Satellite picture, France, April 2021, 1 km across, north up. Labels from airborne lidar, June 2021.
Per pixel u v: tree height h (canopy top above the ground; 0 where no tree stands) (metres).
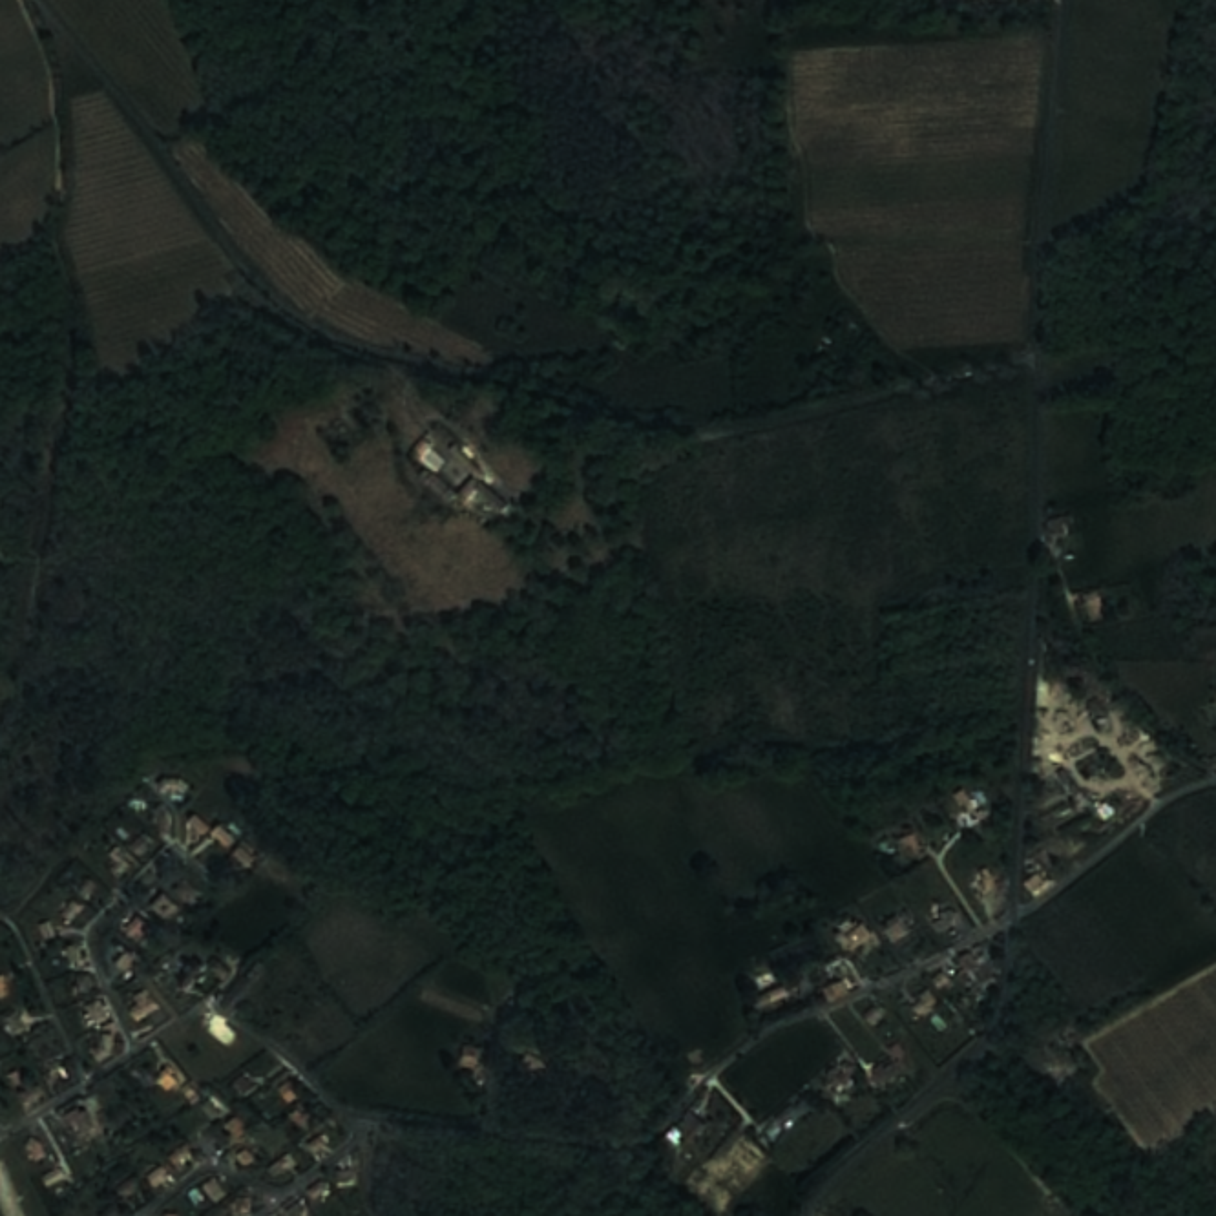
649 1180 12
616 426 23
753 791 0
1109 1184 16
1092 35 0
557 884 15
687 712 7
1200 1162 20
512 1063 22
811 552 0
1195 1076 0
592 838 0
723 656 7
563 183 23
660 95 6
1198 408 23
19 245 0
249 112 21
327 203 23
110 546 10
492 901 18
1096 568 0
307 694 20
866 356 6
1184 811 0
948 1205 0
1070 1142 14
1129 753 0
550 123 26
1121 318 18
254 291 15
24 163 0
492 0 30
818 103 0
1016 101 0
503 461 0
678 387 0
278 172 18
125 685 23
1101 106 0
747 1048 0
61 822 12
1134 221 21
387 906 15
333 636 9
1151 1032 0
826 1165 12
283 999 0
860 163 0
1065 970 0
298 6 21
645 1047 13
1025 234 0
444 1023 0
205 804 0
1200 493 13
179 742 21
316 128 21
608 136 21
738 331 15
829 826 0
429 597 0
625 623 19
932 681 6
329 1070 8
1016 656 8
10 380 19
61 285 17
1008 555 0
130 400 15
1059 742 0
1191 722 0
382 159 25
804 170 0
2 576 10
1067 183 0
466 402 6
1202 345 23
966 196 0
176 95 0
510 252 19
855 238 0
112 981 0
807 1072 0
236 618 18
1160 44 0
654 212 16
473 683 12
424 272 20
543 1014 18
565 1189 20
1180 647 9
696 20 11
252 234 0
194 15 19
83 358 17
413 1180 18
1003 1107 20
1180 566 15
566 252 22
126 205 0
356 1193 7
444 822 24
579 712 18
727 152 12
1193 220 17
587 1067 15
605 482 20
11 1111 9
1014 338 0
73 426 15
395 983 0
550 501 12
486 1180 24
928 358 0
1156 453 18
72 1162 0
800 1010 8
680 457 15
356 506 0
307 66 24
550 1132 18
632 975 0
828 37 0
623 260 23
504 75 29
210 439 24
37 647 9
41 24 10
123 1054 0
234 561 23
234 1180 0
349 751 24
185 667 23
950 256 0
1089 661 8
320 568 18
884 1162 0
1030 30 22
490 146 21
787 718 0
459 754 16
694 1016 0
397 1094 0
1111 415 9
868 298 0
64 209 10
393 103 28
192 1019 0
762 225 13
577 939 21
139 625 16
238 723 24
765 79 12
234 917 0
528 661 15
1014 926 0
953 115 0
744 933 0
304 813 27
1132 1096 0
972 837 11
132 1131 12
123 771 18
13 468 13
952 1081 0
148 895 15
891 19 16
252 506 25
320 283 0
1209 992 0
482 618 14
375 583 11
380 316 0
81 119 0
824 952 8
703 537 0
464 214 26
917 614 12
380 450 0
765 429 0
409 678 14
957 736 18
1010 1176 0
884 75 0
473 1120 10
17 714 17
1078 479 0
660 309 28
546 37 25
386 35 28
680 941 0
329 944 0
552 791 24
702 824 0
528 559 14
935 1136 0
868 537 0
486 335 0
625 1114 21
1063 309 15
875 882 0
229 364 22
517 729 18
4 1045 9
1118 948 0
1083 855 0
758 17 0
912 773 23
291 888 0
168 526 19
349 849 27
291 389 22
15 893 18
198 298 0
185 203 0
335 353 21
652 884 0
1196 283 26
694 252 20
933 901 0
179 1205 0
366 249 18
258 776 16
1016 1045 11
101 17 0
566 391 8
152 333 0
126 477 17
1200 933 0
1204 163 19
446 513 6
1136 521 0
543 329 0
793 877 13
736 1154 0
